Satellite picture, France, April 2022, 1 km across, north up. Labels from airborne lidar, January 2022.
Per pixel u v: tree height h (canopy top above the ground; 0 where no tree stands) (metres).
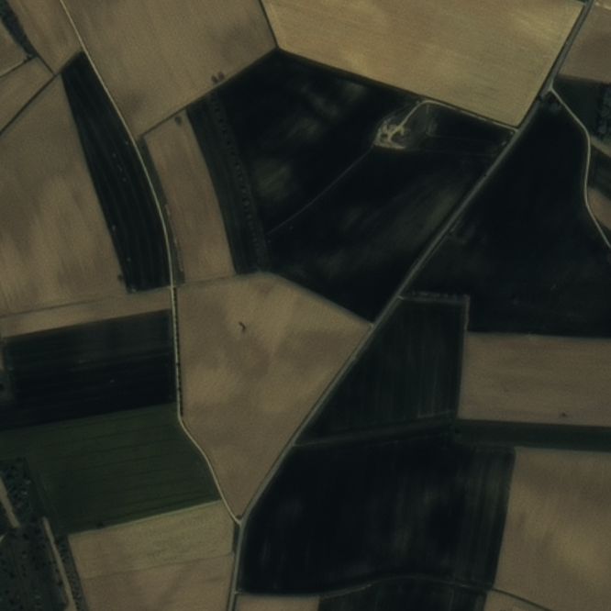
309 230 0
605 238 0
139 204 0
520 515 0
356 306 0
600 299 0
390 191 0
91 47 0
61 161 0
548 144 0
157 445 0
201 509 0
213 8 0
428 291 0
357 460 0
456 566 0
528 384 0
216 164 0
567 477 0
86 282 0
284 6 0
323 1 0
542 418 0
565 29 0
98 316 0
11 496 9
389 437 0
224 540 0
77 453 0
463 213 0
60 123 0
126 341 0
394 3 0
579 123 0
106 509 0
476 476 0
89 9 0
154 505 0
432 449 0
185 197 0
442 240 0
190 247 0
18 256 0
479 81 0
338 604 0
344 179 0
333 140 0
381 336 0
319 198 0
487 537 0
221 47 0
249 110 0
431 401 0
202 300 0
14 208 0
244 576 0
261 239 0
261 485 0
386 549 0
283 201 0
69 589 0
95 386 0
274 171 0
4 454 0
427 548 0
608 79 0
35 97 0
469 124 0
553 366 0
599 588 0
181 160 0
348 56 0
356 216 0
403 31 0
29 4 0
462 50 0
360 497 0
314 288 0
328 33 0
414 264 0
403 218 0
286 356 0
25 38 11
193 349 0
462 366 0
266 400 0
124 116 0
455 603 0
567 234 0
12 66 0
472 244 0
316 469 0
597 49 0
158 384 0
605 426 0
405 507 0
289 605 0
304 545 0
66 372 0
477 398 0
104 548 0
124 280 10
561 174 0
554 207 0
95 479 0
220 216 0
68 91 0
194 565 0
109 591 0
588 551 0
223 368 0
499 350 0
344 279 0
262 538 0
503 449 0
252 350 0
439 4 0
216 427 0
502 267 0
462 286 0
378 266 0
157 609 0
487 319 0
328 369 0
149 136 0
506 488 0
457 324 0
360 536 0
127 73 0
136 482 0
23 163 0
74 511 0
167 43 0
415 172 0
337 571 0
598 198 0
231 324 0
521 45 0
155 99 0
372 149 0
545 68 0
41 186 0
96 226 0
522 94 0
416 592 0
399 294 0
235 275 0
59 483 0
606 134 22
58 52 0
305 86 0
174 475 0
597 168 0
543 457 0
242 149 0
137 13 0
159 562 0
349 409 0
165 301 0
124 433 0
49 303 0
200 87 0
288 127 0
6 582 0
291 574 0
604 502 0
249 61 0
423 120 0
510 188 0
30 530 0
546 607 0
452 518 0
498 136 0
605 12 0
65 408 0
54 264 0
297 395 0
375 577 0
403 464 0
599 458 0
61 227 0
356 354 0
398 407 0
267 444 0
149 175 0
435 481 0
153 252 0
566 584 0
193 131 0
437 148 0
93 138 0
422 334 0
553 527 0
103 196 0
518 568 0
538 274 0
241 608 0
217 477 0
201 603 0
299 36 0
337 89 0
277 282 0
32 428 0
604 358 0
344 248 0
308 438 0
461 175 0
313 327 0
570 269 0
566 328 0
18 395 0
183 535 0
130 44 0
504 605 0
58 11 0
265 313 0
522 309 0
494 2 0
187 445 0
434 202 0
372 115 0
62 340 0
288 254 0
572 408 0
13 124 0
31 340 0
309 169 0
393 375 0
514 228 0
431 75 0
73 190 0
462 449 0
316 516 0
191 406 0
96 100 0
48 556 0
